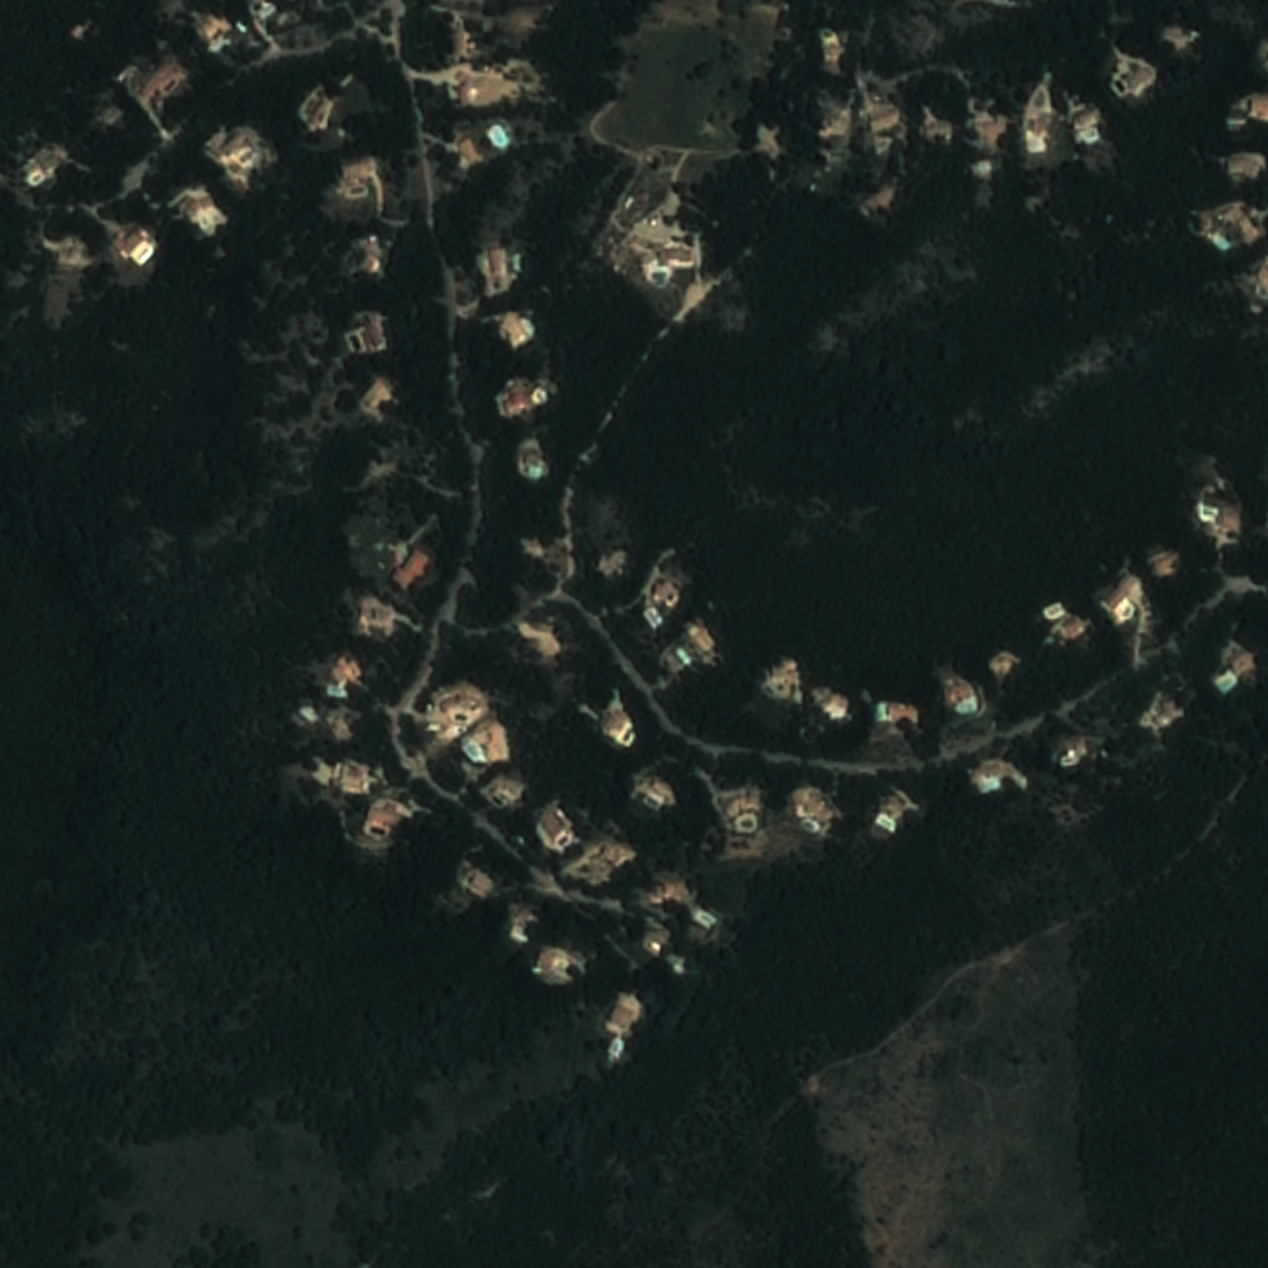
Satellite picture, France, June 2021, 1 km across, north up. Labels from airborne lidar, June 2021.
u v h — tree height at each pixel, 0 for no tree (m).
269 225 10
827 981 7
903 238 8
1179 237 10
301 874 11
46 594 18
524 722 7
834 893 10
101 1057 7
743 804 0
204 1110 11
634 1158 8
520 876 13
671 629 6
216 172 10
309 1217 0
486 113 11
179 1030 10
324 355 8
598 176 8
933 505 8
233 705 10
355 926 15
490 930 17
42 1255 14
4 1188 14
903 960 9
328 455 11
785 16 12
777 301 13
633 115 0
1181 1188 9
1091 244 10
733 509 10
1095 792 12
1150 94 6
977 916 7
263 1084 13
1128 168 10
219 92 9
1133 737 8
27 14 8
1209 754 10
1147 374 8
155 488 13
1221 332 7
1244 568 11
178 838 14
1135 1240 8
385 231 12
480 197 9
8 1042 10
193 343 15
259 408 10
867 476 10
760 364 9
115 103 6
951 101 11
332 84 12
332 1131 11
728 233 7
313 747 6
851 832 12
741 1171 10
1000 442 9
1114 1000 10
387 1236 11
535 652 11
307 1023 15
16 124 10
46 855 18
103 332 10
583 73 12
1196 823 10
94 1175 11
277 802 17
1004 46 10
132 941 7
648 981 14
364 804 10
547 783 10
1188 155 11
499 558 14
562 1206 10
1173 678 6
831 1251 13
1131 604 0
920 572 12
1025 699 9
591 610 7
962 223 6
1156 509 11
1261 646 14
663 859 8
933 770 11
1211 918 9
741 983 10
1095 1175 8
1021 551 10
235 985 7
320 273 9
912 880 8
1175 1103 12
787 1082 11
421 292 8
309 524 14
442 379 13
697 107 0
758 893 14
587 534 8
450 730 0
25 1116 11
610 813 11
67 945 12
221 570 8
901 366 12
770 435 10
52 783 17
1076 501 10
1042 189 10
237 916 12
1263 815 12
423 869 12
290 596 10
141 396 13
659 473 8
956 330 11
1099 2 13
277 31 9
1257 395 7
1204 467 0
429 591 10
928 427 18
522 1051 6
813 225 11
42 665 12
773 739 8
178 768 10
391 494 9
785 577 9
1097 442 11
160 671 14
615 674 9
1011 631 11
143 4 10
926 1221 0
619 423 10
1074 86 10
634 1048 12
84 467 12
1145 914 10
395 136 12
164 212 10
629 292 10
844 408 10
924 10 6
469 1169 12
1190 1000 12
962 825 12
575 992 9
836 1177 8
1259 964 15
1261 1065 14
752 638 8
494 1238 11
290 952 12
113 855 14
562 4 9
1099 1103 9
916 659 10
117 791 14
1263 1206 12
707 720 10
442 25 10
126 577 11
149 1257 0
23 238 7
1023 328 11
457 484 11
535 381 6
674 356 14
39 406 9
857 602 8
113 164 13
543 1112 11
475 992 11
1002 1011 0
